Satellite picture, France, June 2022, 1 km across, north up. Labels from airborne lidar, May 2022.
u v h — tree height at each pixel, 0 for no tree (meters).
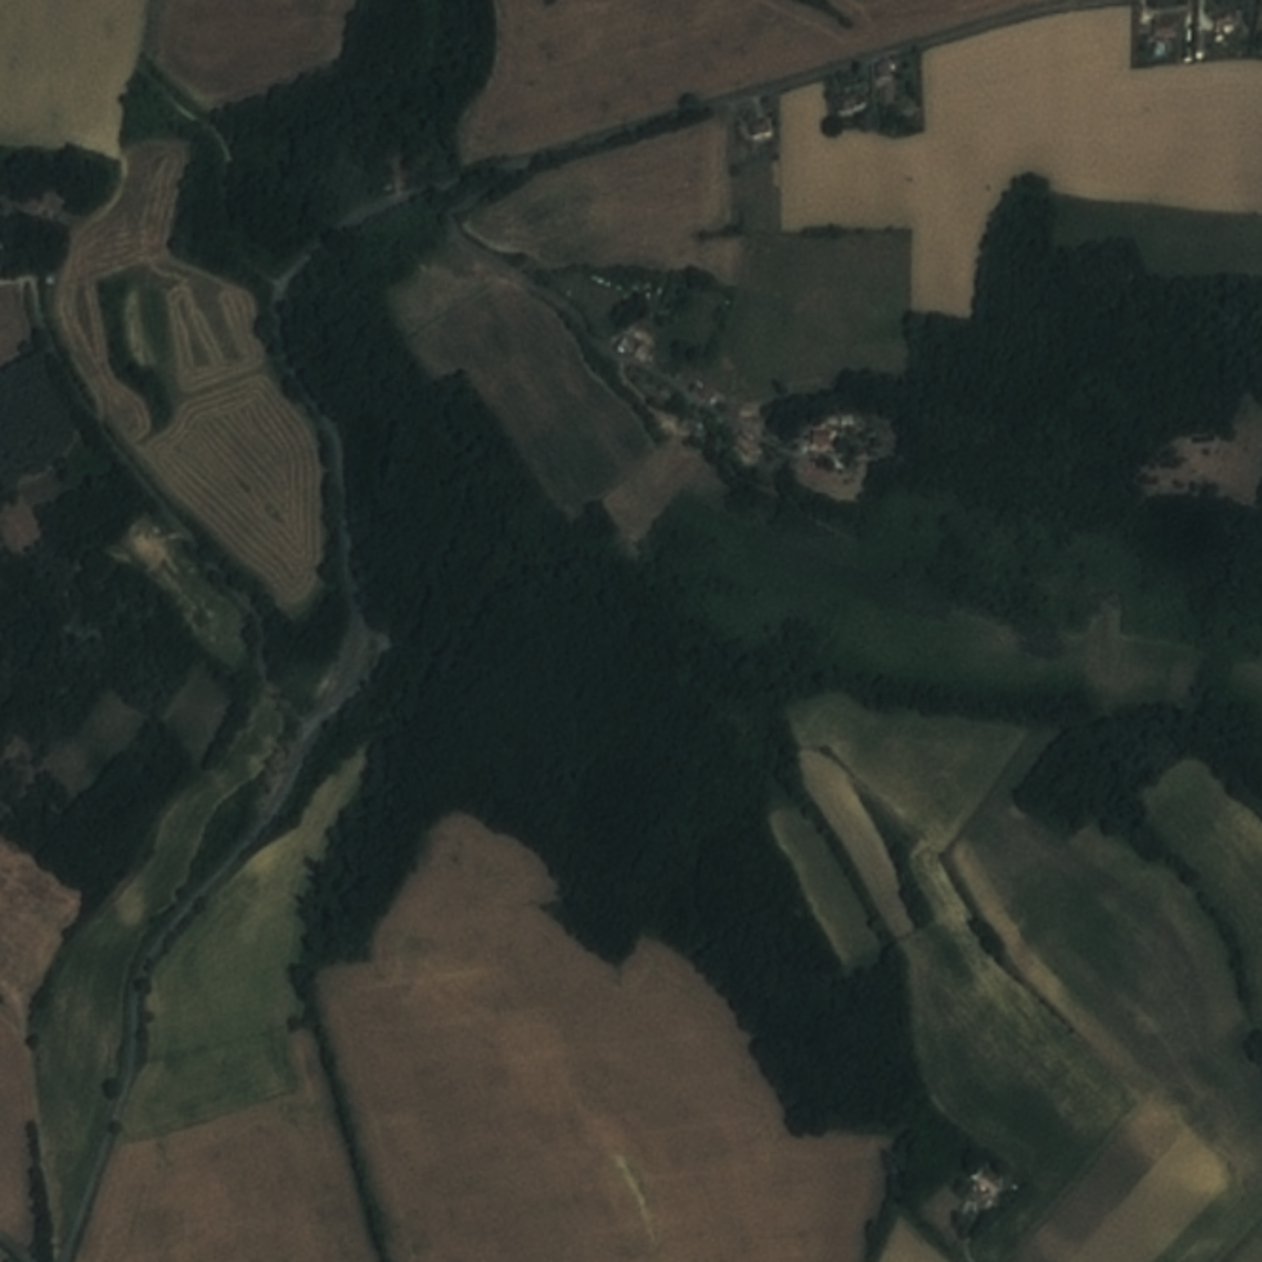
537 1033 0
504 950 0
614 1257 0
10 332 0
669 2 0
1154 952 0
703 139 0
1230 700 14
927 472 12
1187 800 0
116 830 12
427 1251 0
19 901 0
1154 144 0
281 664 13
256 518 0
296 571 0
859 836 0
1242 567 16
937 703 19
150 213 0
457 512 20
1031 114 0
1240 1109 0
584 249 0
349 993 0
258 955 0
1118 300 10
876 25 0
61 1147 0
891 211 0
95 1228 0
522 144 0
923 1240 0
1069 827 6
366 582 11
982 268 7
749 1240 0
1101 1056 0
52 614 11
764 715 8
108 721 0
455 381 13
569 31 0
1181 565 9
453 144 14
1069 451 10
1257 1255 0
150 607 13
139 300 0
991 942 15
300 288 12
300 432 0
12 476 16
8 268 12
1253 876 0
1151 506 7
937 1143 5
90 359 0
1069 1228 0
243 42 0
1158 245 0
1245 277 14
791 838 0
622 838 12
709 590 7
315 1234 0
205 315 0
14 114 0
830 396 18
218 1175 0
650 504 0
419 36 14
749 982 18
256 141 15
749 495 12
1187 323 10
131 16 0
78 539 12
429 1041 0
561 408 0
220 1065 0
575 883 7
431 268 0
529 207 0
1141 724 13
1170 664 0
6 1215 0
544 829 19
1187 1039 0
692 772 16
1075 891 0
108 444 13
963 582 11
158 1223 0
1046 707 14
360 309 28
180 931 8
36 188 16
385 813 15
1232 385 12
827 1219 0
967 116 0
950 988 0
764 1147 0
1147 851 15
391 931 0
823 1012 16
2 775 9
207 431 0
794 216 0
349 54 13
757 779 14
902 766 0
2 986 0
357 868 17
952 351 10
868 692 5
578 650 19
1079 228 0
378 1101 0
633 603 17
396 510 21
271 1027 0
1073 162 0
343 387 18
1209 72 0
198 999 0
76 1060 0
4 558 15
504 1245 0
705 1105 0
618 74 0
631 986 0
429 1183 0
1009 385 13
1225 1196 0
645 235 0
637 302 13
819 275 0
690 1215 0
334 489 17
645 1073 0
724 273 0
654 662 12
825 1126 21
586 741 18
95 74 0
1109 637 0
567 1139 0
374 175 12
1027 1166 0
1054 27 0
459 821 0
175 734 13
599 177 0
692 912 7
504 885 0
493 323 0
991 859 0
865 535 12
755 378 0
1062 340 13
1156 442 10
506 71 0
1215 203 0
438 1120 0
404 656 14
